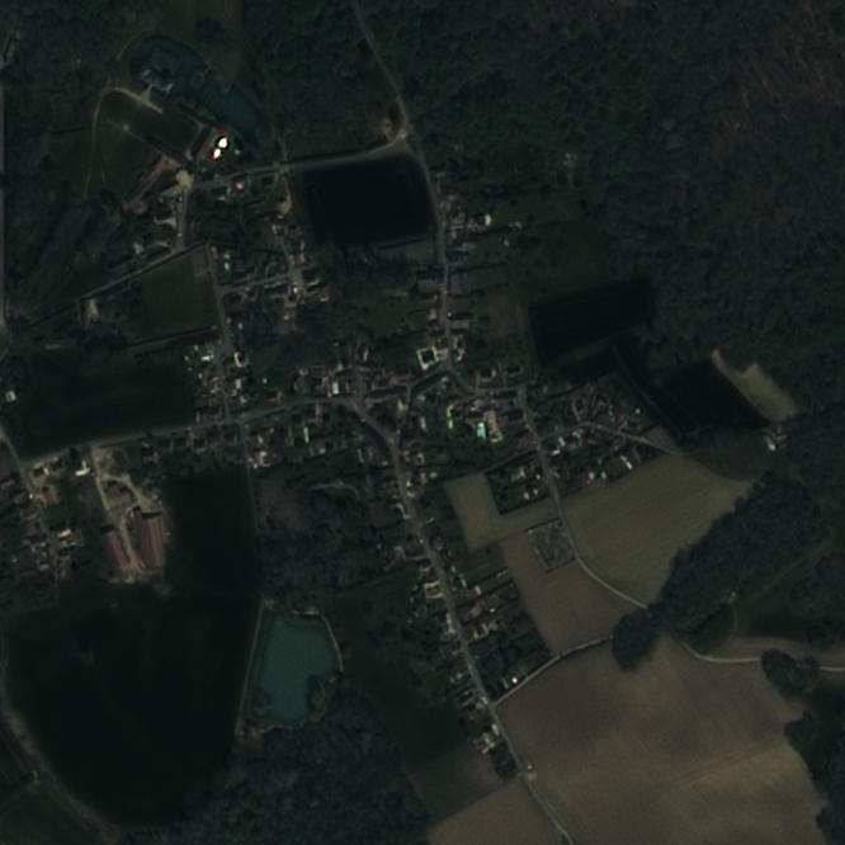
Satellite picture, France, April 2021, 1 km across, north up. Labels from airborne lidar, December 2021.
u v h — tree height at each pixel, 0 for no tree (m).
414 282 11
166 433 0
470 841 0
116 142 0
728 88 25
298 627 0
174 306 0
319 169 0
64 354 0
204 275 0
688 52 13
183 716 0
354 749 30
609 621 0
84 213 12
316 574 13
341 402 0
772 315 21
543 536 0
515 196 12
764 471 0
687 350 20
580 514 0
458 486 0
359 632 0
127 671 0
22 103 24
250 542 0
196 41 0
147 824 0
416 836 28
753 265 23
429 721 0
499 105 20
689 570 16
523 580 0
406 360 0
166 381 0
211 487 0
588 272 0
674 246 19
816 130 24
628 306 0
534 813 0
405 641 12
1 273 0
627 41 22
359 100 30
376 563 0
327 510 14
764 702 0
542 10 22
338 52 30
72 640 0
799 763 0
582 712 0
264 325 20
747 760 0
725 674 0
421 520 0
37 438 0
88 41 29
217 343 0
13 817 0
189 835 14
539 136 22
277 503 0
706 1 18
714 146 24
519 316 0
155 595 0
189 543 0
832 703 0
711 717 0
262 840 24
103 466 0
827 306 15
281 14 22
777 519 22
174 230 8
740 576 18
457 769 0
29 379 19
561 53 17
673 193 32
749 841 0
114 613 0
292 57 23
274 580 20
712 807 0
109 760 0
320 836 23
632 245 22
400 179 0
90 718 0
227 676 0
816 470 23
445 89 27
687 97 28
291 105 26
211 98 0
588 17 20
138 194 0
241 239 20
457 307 0
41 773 0
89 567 6
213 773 0
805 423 21
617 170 15
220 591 0
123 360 0
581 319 0
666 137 23
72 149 0
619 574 0
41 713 0
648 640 19
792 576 0
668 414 0
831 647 11
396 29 30
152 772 0
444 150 16
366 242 0
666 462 0
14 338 26
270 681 0
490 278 0
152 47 0
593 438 7
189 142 0
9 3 25
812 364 15
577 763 0
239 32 0
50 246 11
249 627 0
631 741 0
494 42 23
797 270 17
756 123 27
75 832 0
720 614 6
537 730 0
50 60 27
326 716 22
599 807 0
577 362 0
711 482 0
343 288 22
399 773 32
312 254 7
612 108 25
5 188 22
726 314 9
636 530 0
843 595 19
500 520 0
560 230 6
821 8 23
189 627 0
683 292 25
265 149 19
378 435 7
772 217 25
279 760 17
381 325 0
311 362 15
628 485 0
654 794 0
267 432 0
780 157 24
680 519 0
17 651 0
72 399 0
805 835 0
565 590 0
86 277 0
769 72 27
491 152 24
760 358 13
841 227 13
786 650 0
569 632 0
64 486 0
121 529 0
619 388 13
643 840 0
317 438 6
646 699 0
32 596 15
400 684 0
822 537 23
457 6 20
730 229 16
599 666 0
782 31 28
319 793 30
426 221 0
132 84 0
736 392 0
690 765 0
